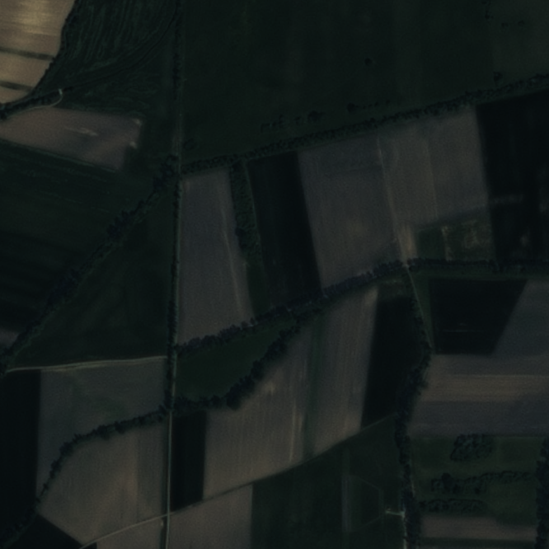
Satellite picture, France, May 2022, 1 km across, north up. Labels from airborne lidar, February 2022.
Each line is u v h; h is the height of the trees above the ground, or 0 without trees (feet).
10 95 0
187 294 0
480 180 0
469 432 0
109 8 0
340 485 0
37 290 0
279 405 0
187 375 0
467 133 0
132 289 0
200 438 0
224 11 0
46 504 0
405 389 0
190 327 0
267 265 0
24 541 0
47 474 0
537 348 0
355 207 0
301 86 0
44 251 0
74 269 0
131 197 0
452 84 0
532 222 0
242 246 47
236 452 0
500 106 0
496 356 0
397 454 0
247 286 0
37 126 0
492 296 0
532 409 0
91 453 0
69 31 18
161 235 0
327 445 0
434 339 0
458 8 0
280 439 0
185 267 0
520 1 0
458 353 0
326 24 0
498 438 0
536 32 0
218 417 0
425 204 0
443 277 0
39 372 0
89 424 0
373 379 0
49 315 64
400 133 0
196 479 0
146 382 0
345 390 0
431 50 0
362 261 0
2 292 0
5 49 0
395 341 0
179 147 0
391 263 0
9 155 0
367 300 0
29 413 0
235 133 0
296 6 0
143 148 0
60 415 0
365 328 0
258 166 0
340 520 0
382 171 0
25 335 42
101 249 20
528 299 0
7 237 0
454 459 32
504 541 0
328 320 0
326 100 0
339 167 0
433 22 0
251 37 0
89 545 0
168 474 0
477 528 0
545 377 0
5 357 45
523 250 0
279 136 0
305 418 0
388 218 0
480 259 0
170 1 0
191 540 0
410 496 84
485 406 0
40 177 0
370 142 0
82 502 0
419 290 0
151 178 0
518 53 0
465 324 0
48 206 0
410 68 0
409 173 0
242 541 0
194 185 0
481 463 0
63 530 0
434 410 0
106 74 0
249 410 0
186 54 0
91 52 0
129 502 0
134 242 0
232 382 0
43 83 20
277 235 0
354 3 0
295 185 0
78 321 0
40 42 0
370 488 0
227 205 0
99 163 0
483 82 0
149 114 0
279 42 0
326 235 0
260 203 0
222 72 0
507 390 0
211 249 0
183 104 0
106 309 0
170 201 0
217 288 0
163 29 0
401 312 0
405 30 0
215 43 0
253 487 0
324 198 0
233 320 0
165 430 0
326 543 0
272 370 0
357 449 0
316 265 0
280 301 0
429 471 0
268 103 0
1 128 0
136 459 0
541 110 0
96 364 0
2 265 0
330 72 0
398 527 0
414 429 0
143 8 0
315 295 0
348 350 0
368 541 0
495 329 0
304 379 0
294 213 0
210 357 0
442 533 0
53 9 0
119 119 0
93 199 0
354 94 0
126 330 0
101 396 0
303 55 0
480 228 0
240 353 0
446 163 0
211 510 0
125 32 0
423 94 0
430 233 0
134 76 0
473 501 20
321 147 0
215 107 0
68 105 0
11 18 0
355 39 0
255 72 0
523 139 0
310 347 0
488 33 0
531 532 0
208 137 0
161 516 0
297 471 0
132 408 0
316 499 0
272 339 0
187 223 0
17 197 0
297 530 0
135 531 0
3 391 0
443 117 0
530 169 0
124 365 0
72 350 0
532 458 0
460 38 0
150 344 0
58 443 0
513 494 0
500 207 0
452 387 0
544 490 20
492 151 0
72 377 0
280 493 0
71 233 0
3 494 0
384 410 0
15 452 0
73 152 0
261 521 0
